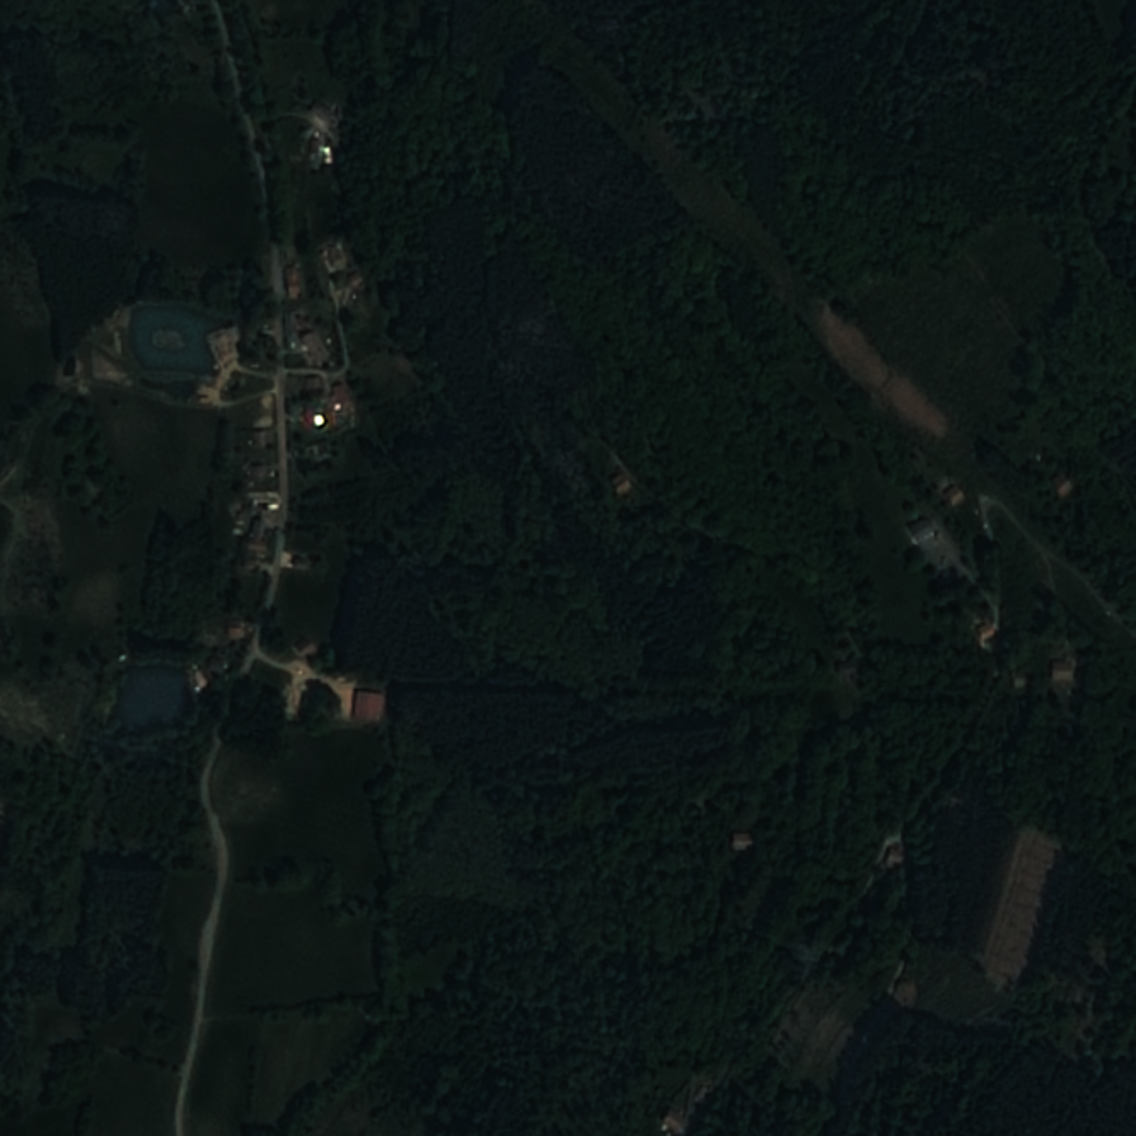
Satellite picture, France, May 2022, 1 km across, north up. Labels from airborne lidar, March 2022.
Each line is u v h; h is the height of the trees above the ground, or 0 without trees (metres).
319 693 20
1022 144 11
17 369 0
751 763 27
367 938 0
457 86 20
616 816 7
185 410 0
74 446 12
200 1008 0
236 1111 0
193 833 10
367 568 28
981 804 27
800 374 0
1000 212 9
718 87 14
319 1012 13
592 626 26
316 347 0
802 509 15
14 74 25
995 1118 25
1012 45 12
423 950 19
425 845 22
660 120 13
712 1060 9
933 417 0
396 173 14
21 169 21
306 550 0
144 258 16
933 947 23
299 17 0
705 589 31
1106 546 16
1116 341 26
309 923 0
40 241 15
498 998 12
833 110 18
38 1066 0
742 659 23
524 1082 25
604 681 25
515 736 33
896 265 22
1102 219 14
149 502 0
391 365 0
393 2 8
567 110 27
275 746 17
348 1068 9
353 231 21
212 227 0
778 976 17
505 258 30
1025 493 7
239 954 0
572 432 29
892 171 10
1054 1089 24
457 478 24
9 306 0
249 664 0
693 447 23
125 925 30
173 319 0
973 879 28
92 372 0
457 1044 13
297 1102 7
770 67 19
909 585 0
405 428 7
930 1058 14
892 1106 9
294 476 0
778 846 12
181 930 0
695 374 20
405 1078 8
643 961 24
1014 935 0
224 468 16
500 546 23
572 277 27
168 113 0
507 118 26
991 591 25
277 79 0
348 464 0
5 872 15
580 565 30
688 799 17
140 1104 0
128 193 16
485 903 8
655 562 30
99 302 17
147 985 22
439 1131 22
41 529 0
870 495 0
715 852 10
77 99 15
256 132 0
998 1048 19
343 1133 0
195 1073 0
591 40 27
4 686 0
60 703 0
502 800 33
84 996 26
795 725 16
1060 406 23
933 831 22
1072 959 21
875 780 15
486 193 22
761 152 24
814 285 16
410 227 21
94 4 19
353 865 0
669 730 33
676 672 33
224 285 15
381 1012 18
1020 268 0
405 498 0
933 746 22
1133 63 21
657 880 17
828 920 20
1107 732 18
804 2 11
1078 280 21
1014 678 0
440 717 34
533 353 31
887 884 7
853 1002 0
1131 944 11
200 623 12
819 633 0
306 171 0
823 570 22
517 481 30
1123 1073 20
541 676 8
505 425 26
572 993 20
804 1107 19
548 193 23
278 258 0
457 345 28
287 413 7
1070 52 18
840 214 20
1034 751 18
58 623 0
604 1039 24
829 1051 0
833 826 16
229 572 9
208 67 0
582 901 24
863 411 23
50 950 12
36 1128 0
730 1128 22
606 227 25
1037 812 18
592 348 24
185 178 0
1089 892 22
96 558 0
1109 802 16
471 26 26
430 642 33
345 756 0
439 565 28
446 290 29
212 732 19
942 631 0
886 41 18
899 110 19
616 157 31
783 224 20
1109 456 23
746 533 23
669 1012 29
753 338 11
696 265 21
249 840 0
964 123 9
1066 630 19
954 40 8
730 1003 18
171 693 0
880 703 15
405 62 9
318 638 0
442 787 17
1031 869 0
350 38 15
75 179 14
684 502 20
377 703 0
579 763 29
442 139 22
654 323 27
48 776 16
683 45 17
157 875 29
